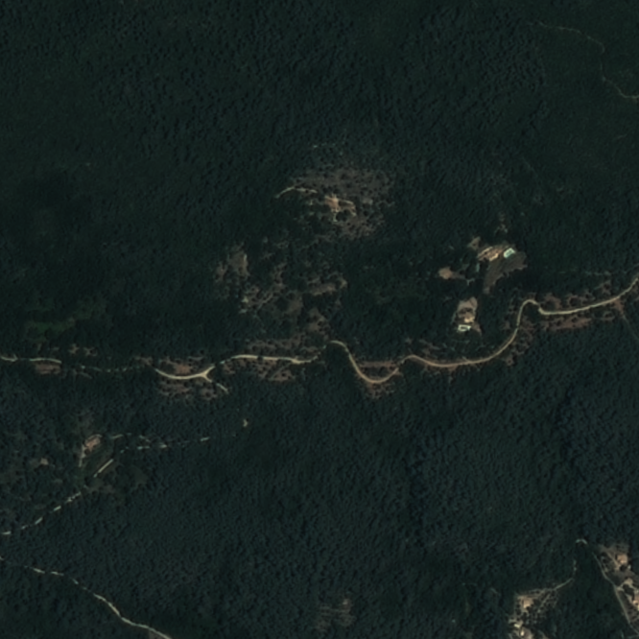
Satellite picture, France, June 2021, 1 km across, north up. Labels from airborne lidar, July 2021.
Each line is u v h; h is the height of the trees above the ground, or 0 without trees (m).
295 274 16
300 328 7
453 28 9
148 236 14
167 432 14
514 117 7
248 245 12
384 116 13
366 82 19
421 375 7
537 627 11
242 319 14
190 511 14
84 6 7
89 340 12
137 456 15
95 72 15
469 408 14
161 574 18
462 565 20
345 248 15
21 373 15
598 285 12
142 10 6
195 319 12
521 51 13
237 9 8
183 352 15
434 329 15
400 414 16
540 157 9
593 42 6
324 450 19
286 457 11
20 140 8
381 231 8
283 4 16
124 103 13
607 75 6
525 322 6
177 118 8
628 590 9
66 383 14
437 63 7
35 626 7
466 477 12
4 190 9
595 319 8
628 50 7
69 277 18
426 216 7
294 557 24
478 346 7
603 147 8
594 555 7
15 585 21
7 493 19
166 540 16
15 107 12
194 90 7
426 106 8
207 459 14
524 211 9
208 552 22
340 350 14
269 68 21
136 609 12
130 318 11
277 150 14
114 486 10
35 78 10
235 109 16
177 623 20
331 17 16
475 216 11
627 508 21
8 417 19
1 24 15
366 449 18
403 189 6
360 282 13
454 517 10
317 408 17
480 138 12
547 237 8
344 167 15
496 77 16
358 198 8
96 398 13
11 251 20
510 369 21
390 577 12
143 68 13
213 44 8
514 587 7
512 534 9
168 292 11
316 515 16
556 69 5
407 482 31
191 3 8
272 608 20
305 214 6
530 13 5
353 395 13
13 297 12
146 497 11
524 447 15
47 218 10
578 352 18
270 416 12
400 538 30
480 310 7
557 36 5
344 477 22
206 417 14
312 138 19
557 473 30
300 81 15
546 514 18
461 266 12
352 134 12
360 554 18
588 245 10
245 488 15
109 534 15
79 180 19
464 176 16
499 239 12
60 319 11
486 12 9
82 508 14
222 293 6
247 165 13
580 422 15
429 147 15
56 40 7
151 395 13
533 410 23
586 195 15
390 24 6
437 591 25
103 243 10
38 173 12
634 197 18
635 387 16
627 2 13
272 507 14
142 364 13
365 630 17
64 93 12
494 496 14
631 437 13
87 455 8
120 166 9
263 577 22
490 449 12
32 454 20
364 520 20
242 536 22
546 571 18
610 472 21
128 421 21
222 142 9
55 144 15
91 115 9
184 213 9
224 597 18
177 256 7
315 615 19
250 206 11
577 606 16
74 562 20
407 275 12
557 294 15
